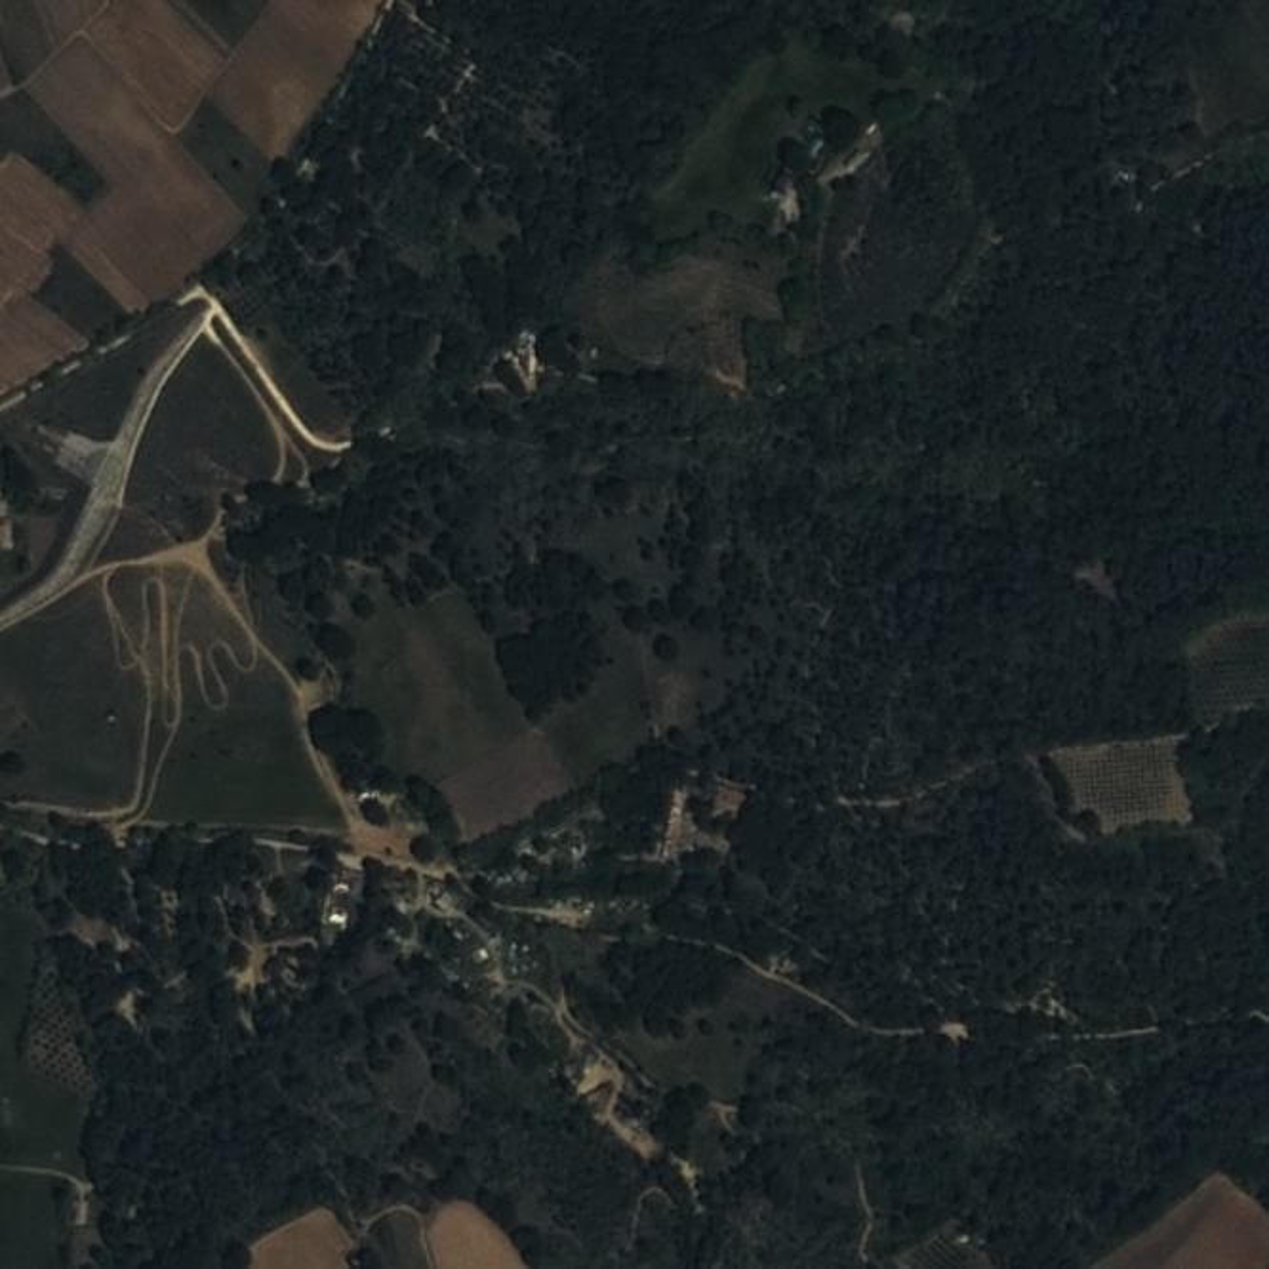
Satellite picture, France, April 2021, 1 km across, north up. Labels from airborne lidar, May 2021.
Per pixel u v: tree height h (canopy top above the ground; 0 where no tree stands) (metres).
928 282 0
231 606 0
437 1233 0
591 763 0
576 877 9
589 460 12
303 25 0
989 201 13
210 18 0
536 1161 5
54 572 0
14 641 0
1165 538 11
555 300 10
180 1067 6
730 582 12
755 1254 11
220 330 0
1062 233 11
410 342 14
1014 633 6
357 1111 9
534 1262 11
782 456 12
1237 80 0
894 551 7
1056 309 17
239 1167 10
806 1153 0
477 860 12
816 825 12
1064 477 8
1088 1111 13
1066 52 14
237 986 7
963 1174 9
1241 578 19
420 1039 7
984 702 5
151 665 0
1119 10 12
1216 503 16
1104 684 15
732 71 15
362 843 0
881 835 8
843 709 6
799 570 8
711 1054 0
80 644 0
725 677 0
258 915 7
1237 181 19
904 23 0
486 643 0
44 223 0
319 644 7
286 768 0
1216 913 13
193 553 0
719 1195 6
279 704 0
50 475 0
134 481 0
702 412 9
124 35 0
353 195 12
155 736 0
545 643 11
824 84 0
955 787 7
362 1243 6
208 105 0
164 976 9
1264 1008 13
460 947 8
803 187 11
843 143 14
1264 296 17
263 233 10
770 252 8
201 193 0
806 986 9
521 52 6
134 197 0
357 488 11
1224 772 10
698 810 13
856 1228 5
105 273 0
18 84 0
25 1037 9
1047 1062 11
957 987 10
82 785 0
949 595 13
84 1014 9
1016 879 14
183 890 13
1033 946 12
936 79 9
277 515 13
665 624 10
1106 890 7
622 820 10
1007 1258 7
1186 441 15
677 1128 11
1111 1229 10
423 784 10
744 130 0
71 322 0
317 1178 7
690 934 12
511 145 11
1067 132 13
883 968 9
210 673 0
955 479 11
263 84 0
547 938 17
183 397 0
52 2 0
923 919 7
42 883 9
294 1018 7
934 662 11
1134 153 15
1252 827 13
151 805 0
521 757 0
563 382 7
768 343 11
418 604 8
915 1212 12
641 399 7
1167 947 10
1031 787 16
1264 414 13
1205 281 10
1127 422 12
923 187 7
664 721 0
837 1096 15
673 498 7
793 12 11
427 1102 0
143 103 0
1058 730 11
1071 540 16
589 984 12
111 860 12
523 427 6
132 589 0
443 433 16
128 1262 15
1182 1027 10
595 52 7
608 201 11
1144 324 14
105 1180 14
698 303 0
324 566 9
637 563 0
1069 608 19
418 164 6
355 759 6
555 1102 9
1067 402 15
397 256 8
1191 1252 0
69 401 0
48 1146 0
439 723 0
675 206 0
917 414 17
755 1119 13
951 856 10
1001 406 15
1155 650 11
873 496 8
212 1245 15
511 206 7
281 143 0
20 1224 0
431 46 5
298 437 0
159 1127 13
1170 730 10
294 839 8
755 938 13
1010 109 14
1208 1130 11
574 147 10
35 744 0
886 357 6
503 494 12
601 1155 10
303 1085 11
